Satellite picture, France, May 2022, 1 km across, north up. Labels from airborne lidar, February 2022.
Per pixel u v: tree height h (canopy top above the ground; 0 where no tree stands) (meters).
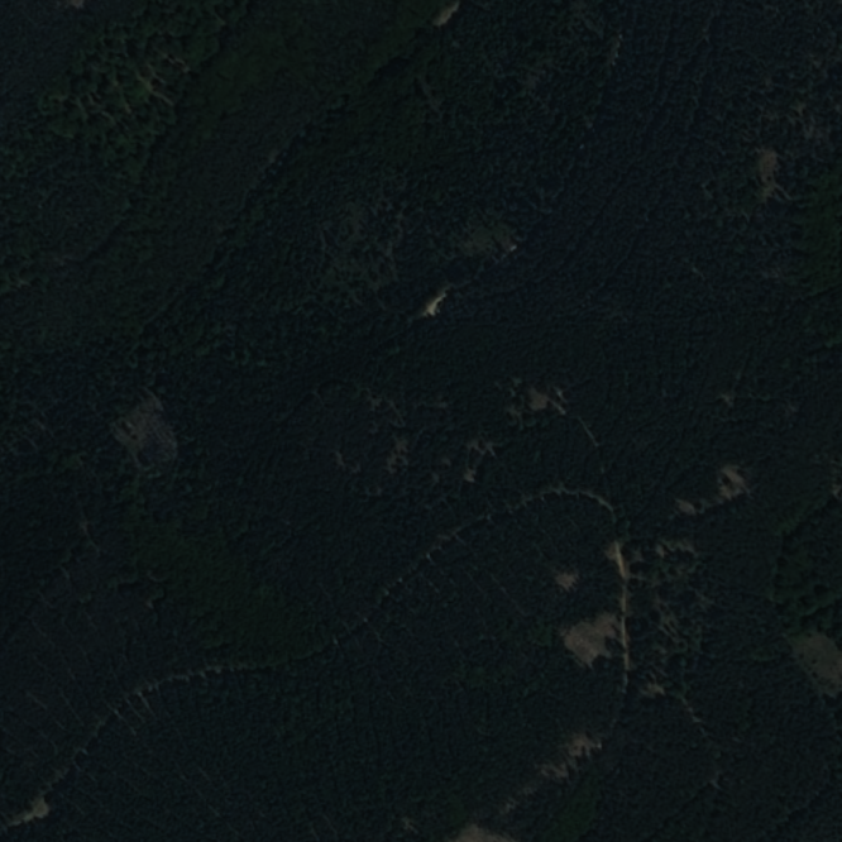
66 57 20
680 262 21
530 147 8
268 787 15
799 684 28
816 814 27
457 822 18
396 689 19
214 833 15
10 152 23
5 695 16
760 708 27
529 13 13
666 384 11
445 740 16
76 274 19
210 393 12
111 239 21
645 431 12
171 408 20
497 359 17
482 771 18
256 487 15
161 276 24
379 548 14
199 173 30
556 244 23
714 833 23
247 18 29
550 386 8
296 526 15
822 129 16
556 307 18
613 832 23
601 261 23
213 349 12
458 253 9
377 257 13
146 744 13
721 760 18
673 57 25
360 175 9
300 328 10
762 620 30
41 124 23
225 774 15
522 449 14
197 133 25
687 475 15
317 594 16
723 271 23
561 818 17
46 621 18
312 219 9
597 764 16
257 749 17
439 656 18
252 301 11
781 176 8
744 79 20
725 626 23
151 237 25
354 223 0
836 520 18
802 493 19
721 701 22
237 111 25
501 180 10
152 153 21
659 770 23
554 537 19
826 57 7
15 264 31
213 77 27
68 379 19
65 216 22
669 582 24
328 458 10
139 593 19
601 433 15
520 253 20
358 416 11
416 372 12
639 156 21
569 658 12
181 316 18
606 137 23
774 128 7
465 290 24
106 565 17
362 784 16
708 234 19
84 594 14
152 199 22
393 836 18
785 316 10
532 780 21
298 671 18
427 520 16
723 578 23
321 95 23
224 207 21
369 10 23
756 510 21
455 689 18
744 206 21
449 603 18
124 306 24
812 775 20
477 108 6
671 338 16
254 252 18
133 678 16
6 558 17
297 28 23
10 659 18
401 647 18
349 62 23
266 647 19
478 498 15
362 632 16
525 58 10
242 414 11
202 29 29
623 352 18
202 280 20
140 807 17
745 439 16
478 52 12
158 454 27
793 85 21
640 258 20
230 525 17
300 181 16
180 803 13
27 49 20
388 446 9
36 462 20
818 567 24
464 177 10
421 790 16
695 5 23
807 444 15
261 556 16
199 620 18
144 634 17
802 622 31
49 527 15
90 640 16
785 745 22
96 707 18
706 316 15
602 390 16
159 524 20
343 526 16
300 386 9
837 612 13
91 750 12
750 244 21
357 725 14
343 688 16
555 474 14
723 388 9
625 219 17
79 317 20
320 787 17
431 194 13
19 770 16
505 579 19
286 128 26
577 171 18
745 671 27
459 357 14
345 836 14
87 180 23
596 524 17
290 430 14
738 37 22
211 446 14
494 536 17
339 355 9
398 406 10
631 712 24
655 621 28
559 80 7
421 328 16
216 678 17
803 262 22
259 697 17
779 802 32
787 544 27
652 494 15
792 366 16
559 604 20
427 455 11
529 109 8
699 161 9
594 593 20
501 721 16
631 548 16
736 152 19
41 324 25
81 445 12
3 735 16
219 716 16
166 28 29
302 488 9
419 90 12
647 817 24
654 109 14
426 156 10
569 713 19
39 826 15
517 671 19
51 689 14
